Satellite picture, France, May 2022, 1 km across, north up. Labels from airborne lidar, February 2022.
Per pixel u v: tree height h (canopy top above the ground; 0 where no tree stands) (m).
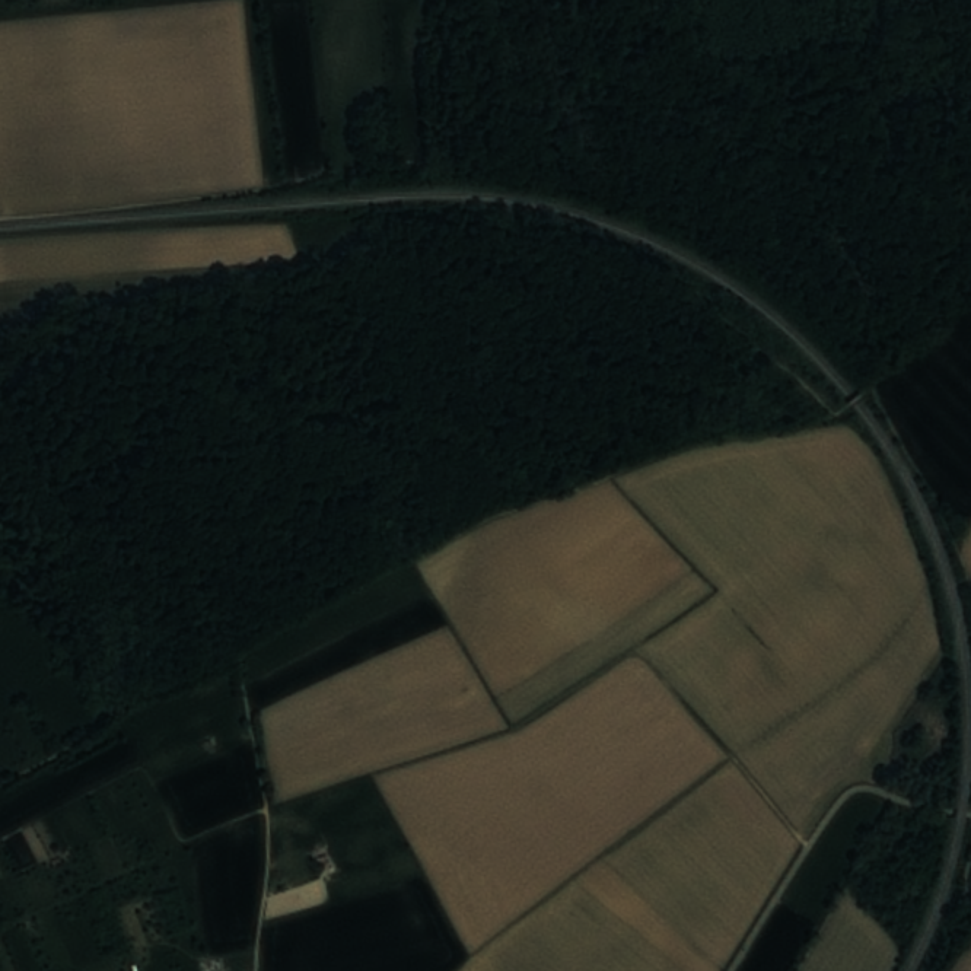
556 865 0
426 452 26
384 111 17
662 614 0
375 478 25
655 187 31
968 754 0
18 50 0
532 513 0
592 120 18
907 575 0
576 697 0
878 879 10
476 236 29
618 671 0
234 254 0
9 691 0
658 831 0
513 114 28
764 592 0
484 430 16
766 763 0
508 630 0
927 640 0
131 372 33
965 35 23
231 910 0
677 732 0
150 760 0
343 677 0
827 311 25
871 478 0
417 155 0
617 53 24
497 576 0
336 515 28
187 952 0
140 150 0
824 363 0
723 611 0
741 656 0
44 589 33
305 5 0
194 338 27
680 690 0
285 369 29
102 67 0
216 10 0
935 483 0
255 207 0
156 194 0
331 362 26
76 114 0
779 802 0
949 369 0
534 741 0
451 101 26
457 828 0
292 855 0
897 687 0
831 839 0
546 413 29
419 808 0
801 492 0
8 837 0
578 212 0
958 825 0
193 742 0
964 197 23
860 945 0
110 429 34
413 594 0
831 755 0
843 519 0
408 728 0
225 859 0
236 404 25
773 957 0
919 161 31
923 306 30
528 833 0
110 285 0
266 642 15
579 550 0
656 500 0
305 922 0
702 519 0
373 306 29
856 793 0
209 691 0
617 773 0
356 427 26
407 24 0
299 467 34
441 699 0
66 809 0
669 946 0
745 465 0
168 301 13
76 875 6
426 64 17
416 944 0
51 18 0
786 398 16
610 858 0
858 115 30
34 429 35
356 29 0
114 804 0
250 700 0
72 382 34
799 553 0
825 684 0
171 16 0
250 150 0
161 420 32
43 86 0
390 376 25
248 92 0
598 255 32
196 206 0
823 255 32
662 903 0
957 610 0
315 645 0
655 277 32
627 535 0
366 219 8
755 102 29
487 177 26
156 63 0
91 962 0
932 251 22
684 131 28
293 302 23
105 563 24
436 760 0
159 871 10
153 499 32
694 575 0
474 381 30
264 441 29
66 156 0
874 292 26
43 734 7
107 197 0
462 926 0
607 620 0
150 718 0
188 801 0
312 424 31
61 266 0
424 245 29
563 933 0
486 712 0
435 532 21
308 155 0
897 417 0
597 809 0
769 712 0
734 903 0
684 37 23
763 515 0
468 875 0
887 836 16
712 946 0
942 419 0
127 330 27
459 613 0
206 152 0
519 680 0
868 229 32
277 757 0
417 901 0
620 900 0
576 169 30
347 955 0
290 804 0
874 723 0
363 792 0
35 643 0
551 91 22
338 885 0
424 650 0
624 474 0
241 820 0
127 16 0
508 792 0
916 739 16
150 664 22
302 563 26
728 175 31
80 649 20
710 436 18
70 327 20
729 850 0
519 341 28
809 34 23
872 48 27
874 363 23
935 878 10
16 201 0
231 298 26
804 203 27
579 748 0
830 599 0
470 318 28
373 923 0
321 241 0
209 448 26
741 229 29
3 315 0
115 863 0
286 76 0
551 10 28
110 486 30
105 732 12
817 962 0
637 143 30
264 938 0
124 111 0
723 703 0
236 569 25
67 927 0
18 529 37
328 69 0
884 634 0
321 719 0
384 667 0
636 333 32
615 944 0
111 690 18
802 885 0
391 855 0
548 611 0
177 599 21
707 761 0
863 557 0
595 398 29
